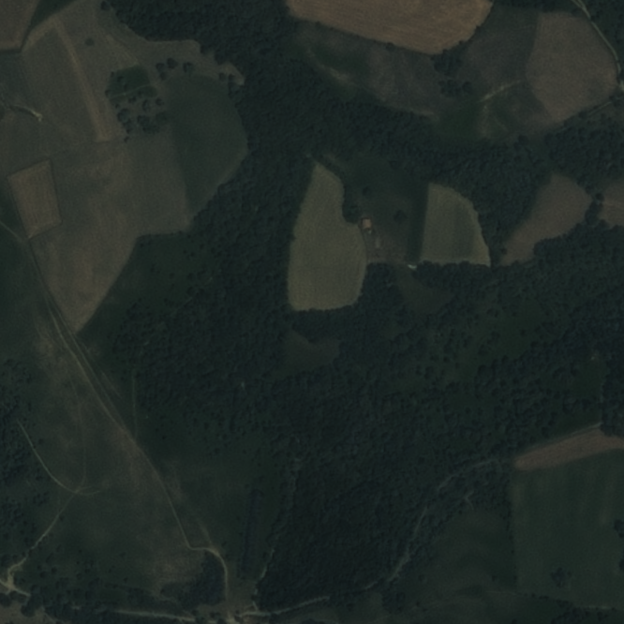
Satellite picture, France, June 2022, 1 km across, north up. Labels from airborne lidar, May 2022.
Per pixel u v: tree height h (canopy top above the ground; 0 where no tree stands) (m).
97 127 0
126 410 0
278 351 19
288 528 7
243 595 0
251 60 18
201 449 0
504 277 10
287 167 9
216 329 19
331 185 0
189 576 0
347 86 0
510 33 0
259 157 17
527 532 0
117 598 0
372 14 0
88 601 11
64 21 0
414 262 0
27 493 0
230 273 14
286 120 19
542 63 0
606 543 0
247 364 21
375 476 11
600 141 16
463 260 0
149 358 10
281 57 21
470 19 0
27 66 0
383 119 20
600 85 0
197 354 19
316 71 17
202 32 14
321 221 0
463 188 20
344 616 0
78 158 0
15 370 7
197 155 0
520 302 17
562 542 0
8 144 0
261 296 11
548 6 17
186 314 10
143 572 0
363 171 0
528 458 0
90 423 0
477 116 0
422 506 6
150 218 0
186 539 0
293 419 11
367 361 18
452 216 0
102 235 0
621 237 18
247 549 15
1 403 8
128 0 8
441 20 0
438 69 15
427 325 12
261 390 12
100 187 0
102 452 0
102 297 0
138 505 0
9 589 0
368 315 16
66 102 0
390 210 0
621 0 17
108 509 0
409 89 0
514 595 0
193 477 0
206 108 0
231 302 18
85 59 0
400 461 7
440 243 0
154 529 0
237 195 15
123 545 0
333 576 14
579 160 19
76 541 0
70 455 0
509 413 7
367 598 8
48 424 0
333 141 18
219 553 0
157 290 0
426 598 0
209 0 19
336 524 19
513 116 0
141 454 0
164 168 0
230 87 12
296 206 18
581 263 14
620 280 23
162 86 0
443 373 11
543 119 0
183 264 0
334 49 0
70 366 0
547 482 0
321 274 0
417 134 22
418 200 0
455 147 6
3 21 0
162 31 20
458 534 0
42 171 0
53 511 0
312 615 0
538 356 13
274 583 19
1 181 0
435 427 7
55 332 0
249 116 15
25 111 0
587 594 0
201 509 0
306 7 0
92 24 0
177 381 27
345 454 25
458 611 0
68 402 0
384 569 13
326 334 17
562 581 18
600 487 0
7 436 12
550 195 0
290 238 25
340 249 0
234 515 0
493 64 0
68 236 0
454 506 10
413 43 0
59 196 0
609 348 18
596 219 19
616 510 0
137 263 0
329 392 18
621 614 0
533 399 12
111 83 0
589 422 0
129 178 0
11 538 13
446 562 0
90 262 0
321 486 19
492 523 0
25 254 0
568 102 0
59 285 0
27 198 0
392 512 11
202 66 0
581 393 0
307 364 0
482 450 17
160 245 0
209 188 0
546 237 0
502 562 0
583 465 0
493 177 21
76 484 0
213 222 9
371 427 14
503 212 20
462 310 10
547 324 12
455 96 13
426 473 6
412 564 10
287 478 12
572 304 16
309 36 0
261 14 18
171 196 0
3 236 0
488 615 0
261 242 16
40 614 0
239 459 0
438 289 13
